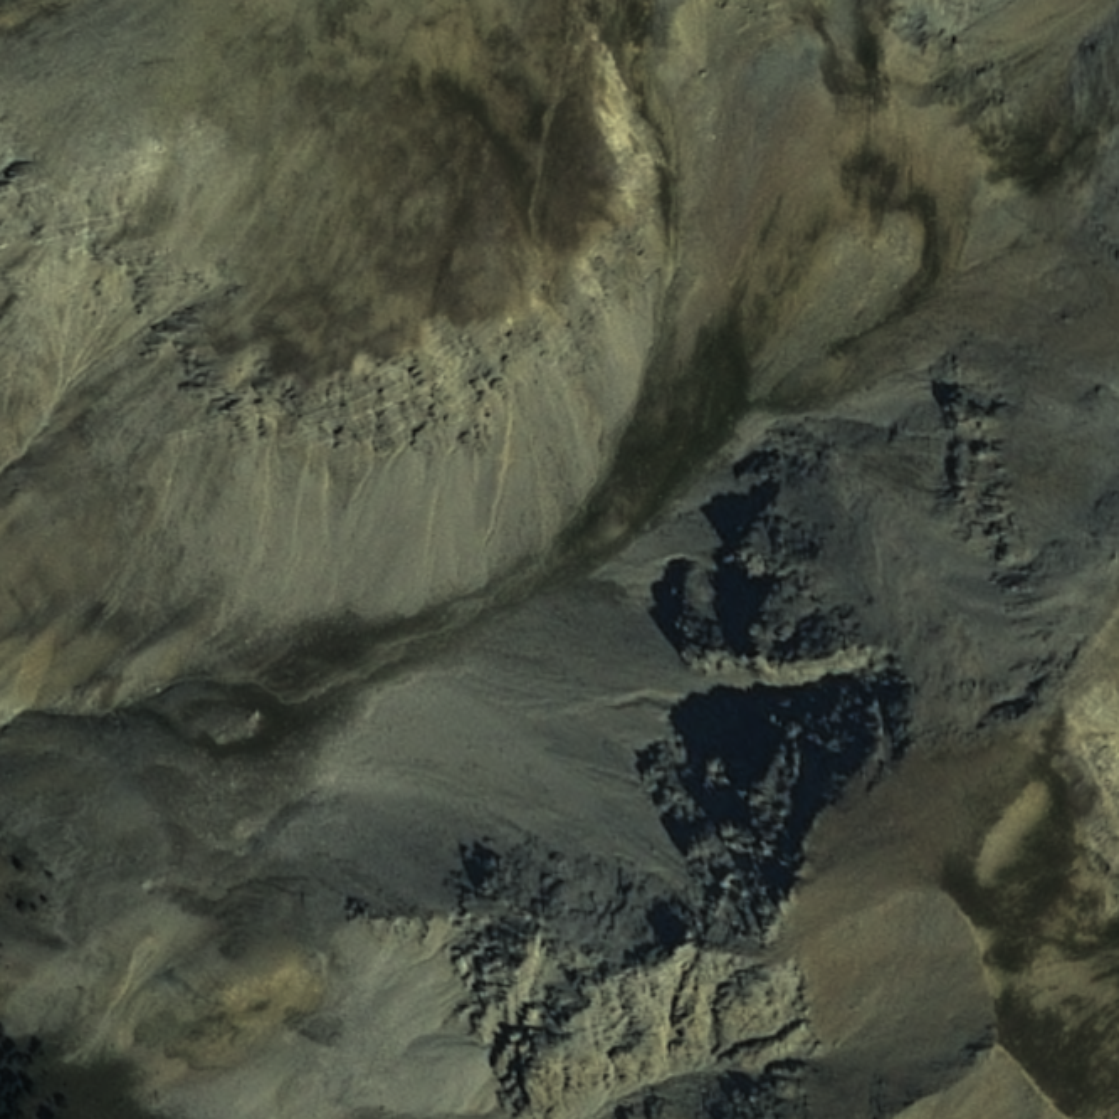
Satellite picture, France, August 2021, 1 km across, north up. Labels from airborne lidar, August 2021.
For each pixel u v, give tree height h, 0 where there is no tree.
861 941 0
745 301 0
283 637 0
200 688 0
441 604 0
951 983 0
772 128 0
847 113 0
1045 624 0
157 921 0
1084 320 0
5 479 0
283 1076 0
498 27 0
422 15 0
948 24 0
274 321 0
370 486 0
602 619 0
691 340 0
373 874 0
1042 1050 0
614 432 0
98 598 0
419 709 0
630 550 0
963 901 0
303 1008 0
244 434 0
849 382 0
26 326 0
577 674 0
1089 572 0
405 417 0
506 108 0
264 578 0
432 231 0
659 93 0
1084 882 0
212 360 0
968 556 0
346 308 0
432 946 0
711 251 0
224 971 0
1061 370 0
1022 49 0
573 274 0
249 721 0
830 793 0
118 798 0
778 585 0
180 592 0
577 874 0
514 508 0
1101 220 0
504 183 0
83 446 0
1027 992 0
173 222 0
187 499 0
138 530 0
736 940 0
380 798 0
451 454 0
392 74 0
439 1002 0
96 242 0
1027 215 0
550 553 0
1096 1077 0
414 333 0
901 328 0
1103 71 0
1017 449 0
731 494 0
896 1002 0
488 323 0
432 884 0
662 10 0
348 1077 0
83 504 0
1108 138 0
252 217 0
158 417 0
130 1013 0
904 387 0
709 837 0
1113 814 0
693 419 0
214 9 0
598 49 0
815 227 0
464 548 0
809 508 0
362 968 0
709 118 0
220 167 0
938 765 0
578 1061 0
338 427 0
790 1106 0
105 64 0
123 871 0
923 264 0
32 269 0
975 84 0
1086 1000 0
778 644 0
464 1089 0
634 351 0
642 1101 0
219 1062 0
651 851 0
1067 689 0
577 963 0
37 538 0
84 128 0
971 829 0
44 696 0
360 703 0
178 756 0
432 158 0
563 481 0
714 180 0
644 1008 0
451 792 0
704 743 0
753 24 0
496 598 0
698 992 0
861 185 0
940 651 0
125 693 0
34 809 0
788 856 0
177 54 0
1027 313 0
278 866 0
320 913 0
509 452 0
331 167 0
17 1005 0
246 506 0
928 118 0
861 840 0
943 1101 0
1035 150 0
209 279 0
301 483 0
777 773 0
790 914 0
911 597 0
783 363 0
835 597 0
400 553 0
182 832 0
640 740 0
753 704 0
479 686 0
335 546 0
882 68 0
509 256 0
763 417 0
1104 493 0
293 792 0
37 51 0
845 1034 0
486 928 0
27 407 0
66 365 0
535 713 0
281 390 0
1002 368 0
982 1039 0
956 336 0
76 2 0
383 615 0
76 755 0
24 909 7
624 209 0
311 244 0
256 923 0
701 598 0
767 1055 0
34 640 0
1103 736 0
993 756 0
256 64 0
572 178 0
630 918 0
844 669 0
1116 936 0
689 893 0
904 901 0
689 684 0
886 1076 0
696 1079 0
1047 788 0
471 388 0
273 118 0
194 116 0
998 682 0
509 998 0
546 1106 0
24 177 0
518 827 0
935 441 0
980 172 0
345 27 0
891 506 0
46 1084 0
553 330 0
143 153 0
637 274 0
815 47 0
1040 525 0
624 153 0
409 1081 0
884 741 0
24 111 0
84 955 0
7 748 0
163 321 0
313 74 0
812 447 0
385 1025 0
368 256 0
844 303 0
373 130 0
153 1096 0
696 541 0
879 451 0
